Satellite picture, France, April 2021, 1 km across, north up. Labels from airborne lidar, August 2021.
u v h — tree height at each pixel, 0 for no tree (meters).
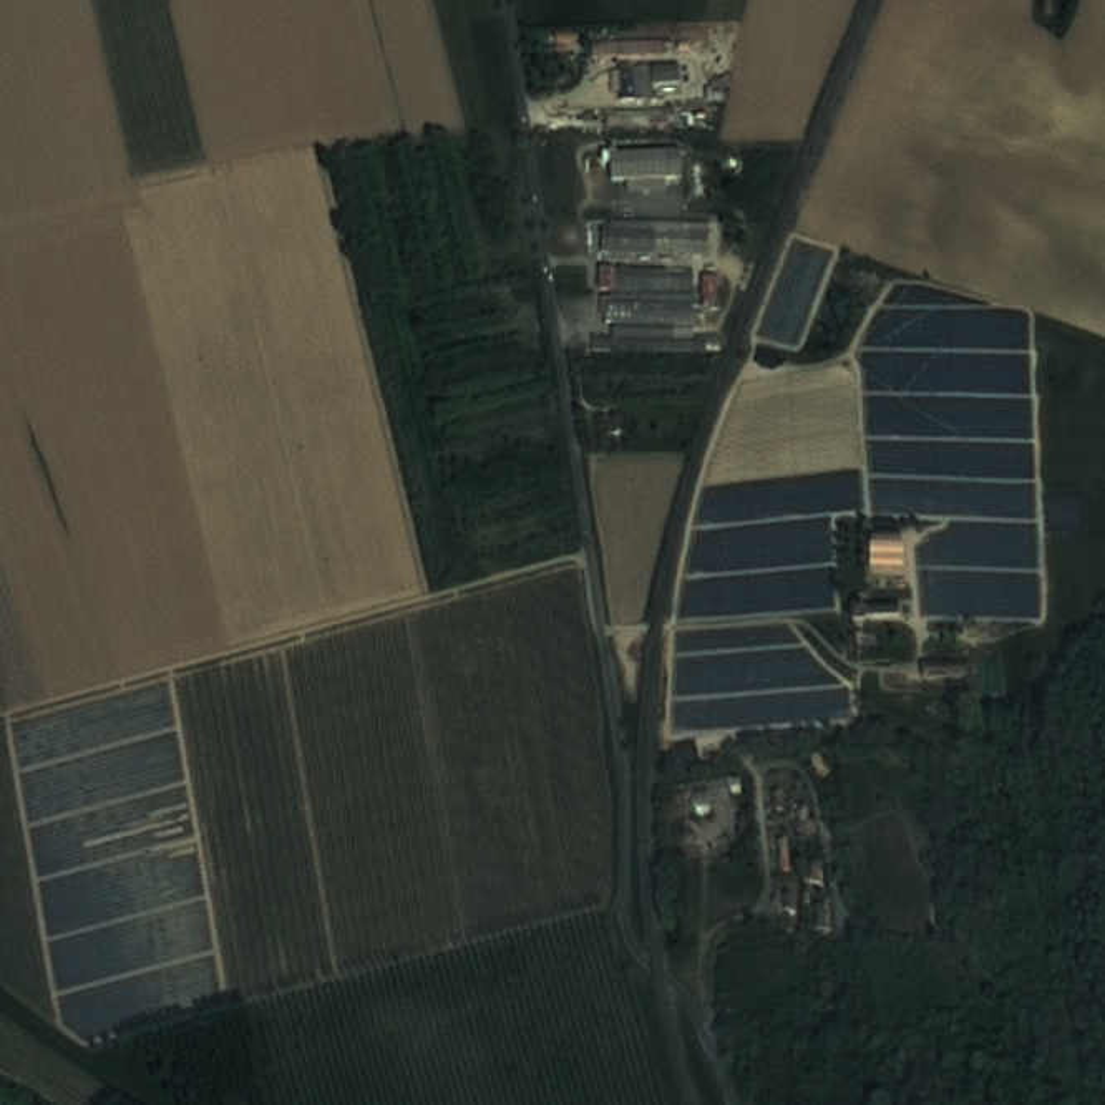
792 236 0
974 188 0
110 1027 0
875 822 0
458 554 8
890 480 0
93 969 0
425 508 9
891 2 0
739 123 0
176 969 0
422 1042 24
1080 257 0
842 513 0
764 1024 6
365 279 11
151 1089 0
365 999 22
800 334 0
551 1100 25
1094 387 0
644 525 0
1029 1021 21
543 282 0
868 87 0
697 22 0
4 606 0
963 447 0
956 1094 10
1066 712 26
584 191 0
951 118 0
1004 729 23
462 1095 23
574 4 0
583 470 0
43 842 0
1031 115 0
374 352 11
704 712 0
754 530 0
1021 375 0
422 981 24
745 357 12
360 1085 24
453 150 13
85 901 0
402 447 9
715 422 0
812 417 0
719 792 0
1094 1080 24
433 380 13
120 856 0
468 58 0
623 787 0
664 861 18
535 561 0
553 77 6
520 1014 25
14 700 0
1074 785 20
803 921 6
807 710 0
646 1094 22
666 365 10
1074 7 6
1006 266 0
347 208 9
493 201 10
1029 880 16
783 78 0
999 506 0
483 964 22
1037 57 0
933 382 0
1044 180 0
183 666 0
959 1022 11
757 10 0
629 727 11
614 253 0
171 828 0
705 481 0
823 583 0
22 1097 15
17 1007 0
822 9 0
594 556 0
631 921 0
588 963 21
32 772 0
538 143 12
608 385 8
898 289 0
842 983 12
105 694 0
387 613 0
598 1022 22
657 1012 0
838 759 10
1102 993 27
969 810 20
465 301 10
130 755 0
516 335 8
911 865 0
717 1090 0
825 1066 9
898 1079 13
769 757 22
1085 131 0
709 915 0
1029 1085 21
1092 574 0
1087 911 22
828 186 0
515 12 14
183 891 0
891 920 0
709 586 0
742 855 8
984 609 0
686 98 0
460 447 11
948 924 14
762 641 0
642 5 0
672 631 0
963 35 0
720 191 9
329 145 0
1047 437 0
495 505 6
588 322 0
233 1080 25
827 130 0
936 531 0
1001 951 10
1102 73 0
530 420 11
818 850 7
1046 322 0
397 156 11
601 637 0
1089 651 13
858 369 0
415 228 11
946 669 0
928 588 0
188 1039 23
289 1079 25
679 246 0
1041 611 0
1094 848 18
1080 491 0
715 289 0
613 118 0
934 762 19
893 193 0
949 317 0
